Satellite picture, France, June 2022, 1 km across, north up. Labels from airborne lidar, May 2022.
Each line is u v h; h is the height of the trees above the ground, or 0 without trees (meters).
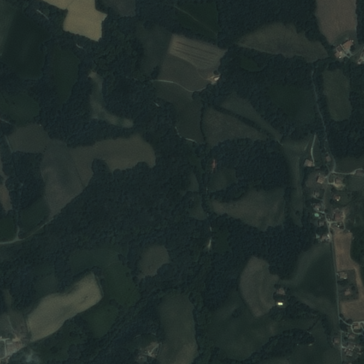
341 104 0
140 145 0
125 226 28
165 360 0
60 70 0
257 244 27
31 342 0
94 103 0
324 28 0
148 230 25
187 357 0
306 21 22
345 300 0
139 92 20
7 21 0
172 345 0
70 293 0
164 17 19
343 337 0
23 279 24
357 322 0
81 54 16
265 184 25
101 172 22
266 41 0
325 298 0
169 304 0
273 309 8
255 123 12
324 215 7
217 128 0
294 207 0
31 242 6
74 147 7
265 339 0
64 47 17
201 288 30
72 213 23
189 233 22
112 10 18
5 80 15
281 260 29
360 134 31
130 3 0
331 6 0
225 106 0
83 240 25
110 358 20
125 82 21
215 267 13
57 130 19
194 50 0
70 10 0
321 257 0
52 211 0
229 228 23
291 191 8
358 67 11
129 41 25
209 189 7
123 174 18
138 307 23
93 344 22
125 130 15
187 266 25
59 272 16
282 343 14
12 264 12
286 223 12
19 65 0
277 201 0
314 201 6
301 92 0
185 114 0
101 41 18
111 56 31
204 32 0
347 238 0
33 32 0
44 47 23
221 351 20
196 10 0
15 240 0
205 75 0
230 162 25
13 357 12
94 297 0
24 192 21
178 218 24
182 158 24
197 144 9
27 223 0
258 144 20
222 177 0
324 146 12
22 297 22
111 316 0
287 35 0
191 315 0
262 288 0
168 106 25
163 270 23
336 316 0
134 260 26
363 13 10
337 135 16
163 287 6
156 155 8
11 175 5
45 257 14
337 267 0
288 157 0
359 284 0
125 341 16
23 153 11
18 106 0
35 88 15
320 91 8
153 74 11
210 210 22
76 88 21
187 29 10
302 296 0
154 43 0
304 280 0
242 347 0
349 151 23
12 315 0
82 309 0
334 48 17
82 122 12
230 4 22
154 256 0
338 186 0
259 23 16
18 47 0
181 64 0
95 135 19
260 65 19
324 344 0
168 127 22
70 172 0
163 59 0
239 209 0
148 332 20
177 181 23
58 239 6
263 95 14
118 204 22
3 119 8
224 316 0
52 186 0
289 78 24
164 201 21
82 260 0
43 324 0
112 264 0
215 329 0
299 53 0
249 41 0
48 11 17
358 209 0
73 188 0
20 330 0
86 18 0
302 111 0
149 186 27
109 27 24
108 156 0
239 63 14
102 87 0
